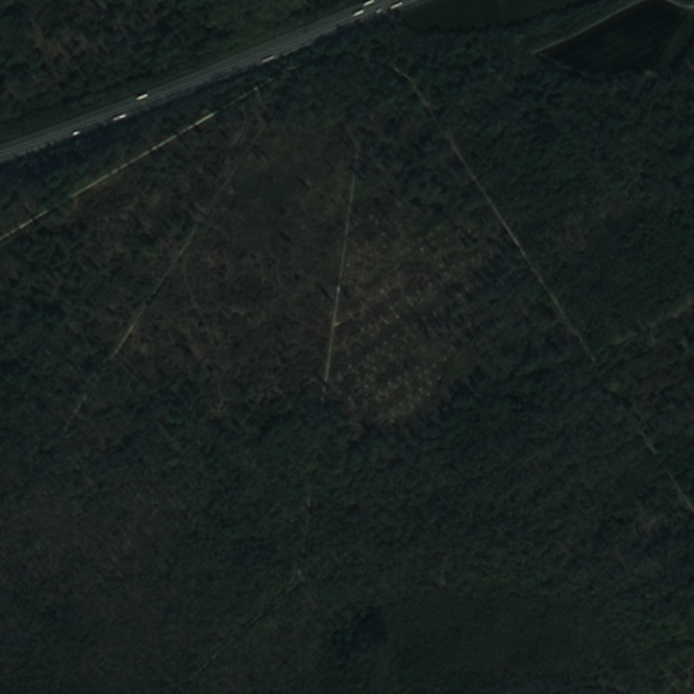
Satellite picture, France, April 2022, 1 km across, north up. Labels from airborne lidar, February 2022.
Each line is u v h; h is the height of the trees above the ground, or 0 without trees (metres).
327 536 21
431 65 29
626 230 20
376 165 38
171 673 22
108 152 33
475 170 22
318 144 0
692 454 14
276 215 0
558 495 29
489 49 21
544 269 21
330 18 0
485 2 0
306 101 28
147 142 31
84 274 25
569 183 22
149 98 0
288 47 0
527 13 0
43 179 22
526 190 21
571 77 19
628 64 0
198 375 32
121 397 30
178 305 9
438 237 0
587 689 14
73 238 33
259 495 25
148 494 30
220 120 36
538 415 26
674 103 27
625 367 34
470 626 16
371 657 19
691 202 25
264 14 32
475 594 15
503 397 31
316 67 25
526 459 26
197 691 24
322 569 26
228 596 22
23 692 16
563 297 18
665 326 11
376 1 0
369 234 6
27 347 7
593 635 17
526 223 19
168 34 34
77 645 18
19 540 25
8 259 0
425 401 0
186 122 10
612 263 19
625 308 21
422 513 21
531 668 23
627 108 24
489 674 17
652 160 20
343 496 24
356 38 32
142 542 24
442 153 37
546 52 0
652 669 22
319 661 24
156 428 31
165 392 8
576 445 29
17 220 31
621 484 21
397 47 26
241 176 0
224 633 23
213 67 0
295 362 8
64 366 29
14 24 30
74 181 32
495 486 26
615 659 20
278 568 25
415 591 20
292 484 28
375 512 24
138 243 31
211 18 30
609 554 27
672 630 29
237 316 6
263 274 0
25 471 26
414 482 28
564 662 21
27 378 27
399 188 36
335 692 19
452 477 26
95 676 21
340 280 0
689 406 9
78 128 0
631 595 28
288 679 23
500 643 14
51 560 27
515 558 28
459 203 37
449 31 15
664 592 30
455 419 28
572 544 30
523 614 14
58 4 11
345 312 7
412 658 15
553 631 18
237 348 17
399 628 16
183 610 21
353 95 28
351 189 0
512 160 24
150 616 21
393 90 28
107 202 6
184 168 7
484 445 25
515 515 24
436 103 27
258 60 0
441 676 15
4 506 24
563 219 21
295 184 0
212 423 30
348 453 23
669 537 29
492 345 36
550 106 21
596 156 28
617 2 14
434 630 13
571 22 13
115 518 30
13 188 28
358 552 24
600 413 26
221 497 27
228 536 23
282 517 27
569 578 32
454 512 18
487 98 25
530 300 37
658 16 0
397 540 22
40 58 28
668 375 10
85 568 27
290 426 31
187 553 24
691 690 7
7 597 29
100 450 30
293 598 24
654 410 7
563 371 19
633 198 28
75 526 26
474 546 26
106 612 21
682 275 18
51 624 24
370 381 0
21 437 31
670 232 19
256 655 25
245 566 25
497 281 36
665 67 0
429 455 27
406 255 0
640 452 23
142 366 14
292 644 28
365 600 26
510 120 29
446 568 20
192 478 25
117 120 0
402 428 0
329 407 34
